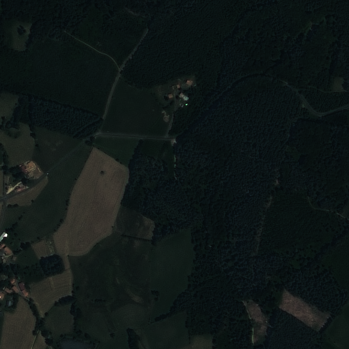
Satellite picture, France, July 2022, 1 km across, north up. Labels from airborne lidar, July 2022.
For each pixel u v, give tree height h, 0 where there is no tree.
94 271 0
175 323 0
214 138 32
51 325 0
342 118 12
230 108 32
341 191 22
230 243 27
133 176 31
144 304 0
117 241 0
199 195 14
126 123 0
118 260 0
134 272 0
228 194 27
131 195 22
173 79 10
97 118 32
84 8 13
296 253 16
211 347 0
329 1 16
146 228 0
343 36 14
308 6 19
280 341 26
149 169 27
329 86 11
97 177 0
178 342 0
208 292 11
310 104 10
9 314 0
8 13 25
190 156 32
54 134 0
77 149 0
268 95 24
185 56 8
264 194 29
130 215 0
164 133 0
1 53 6
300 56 28
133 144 0
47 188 0
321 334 19
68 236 0
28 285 6
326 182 22
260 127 28
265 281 30
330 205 26
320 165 24
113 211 0
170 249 0
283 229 6
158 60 12
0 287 13
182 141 24
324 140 30
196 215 22
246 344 21
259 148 19
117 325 0
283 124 25
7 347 0
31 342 0
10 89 13
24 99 21
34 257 0
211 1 11
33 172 0
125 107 0
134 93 0
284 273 28
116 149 0
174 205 25
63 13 17
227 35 8
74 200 0
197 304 21
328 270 15
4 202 0
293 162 27
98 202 0
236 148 25
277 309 26
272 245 6
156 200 25
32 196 0
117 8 34
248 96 15
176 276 0
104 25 6
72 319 0
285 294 0
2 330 0
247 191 23
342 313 15
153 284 0
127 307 0
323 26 30
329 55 11
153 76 12
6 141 0
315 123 31
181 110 8
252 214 26
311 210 6
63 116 28
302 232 6
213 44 8
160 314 0
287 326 28
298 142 32
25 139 0
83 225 0
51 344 21
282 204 6
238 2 13
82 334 15
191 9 23
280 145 24
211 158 24
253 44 25
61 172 0
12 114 0
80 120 30
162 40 11
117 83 0
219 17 11
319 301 29
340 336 0
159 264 0
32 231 0
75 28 10
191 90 11
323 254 27
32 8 20
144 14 7
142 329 0
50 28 23
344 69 24
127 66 7
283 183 26
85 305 0
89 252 0
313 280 20
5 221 0
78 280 0
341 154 36
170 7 28
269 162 23
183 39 9
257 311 0
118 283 0
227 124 26
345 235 20
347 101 7
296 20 28
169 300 0
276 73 25
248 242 30
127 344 0
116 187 0
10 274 13
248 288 29
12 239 6
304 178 28
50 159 0
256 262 22
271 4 32
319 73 7
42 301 0
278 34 15
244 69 26
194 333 7
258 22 24
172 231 23
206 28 7
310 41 33
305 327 32
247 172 25
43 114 29
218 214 22
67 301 28
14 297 12
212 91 16
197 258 13
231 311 19
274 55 29
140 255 0
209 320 9
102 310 0
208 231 25
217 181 13
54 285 0
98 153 0
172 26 11
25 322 0
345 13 9
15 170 17
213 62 11
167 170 28
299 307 0
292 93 26
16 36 0
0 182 0
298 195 6
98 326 0
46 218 0
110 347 0
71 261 0
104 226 0
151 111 0
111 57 0
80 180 0
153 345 0
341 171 31
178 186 27
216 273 9
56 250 0
